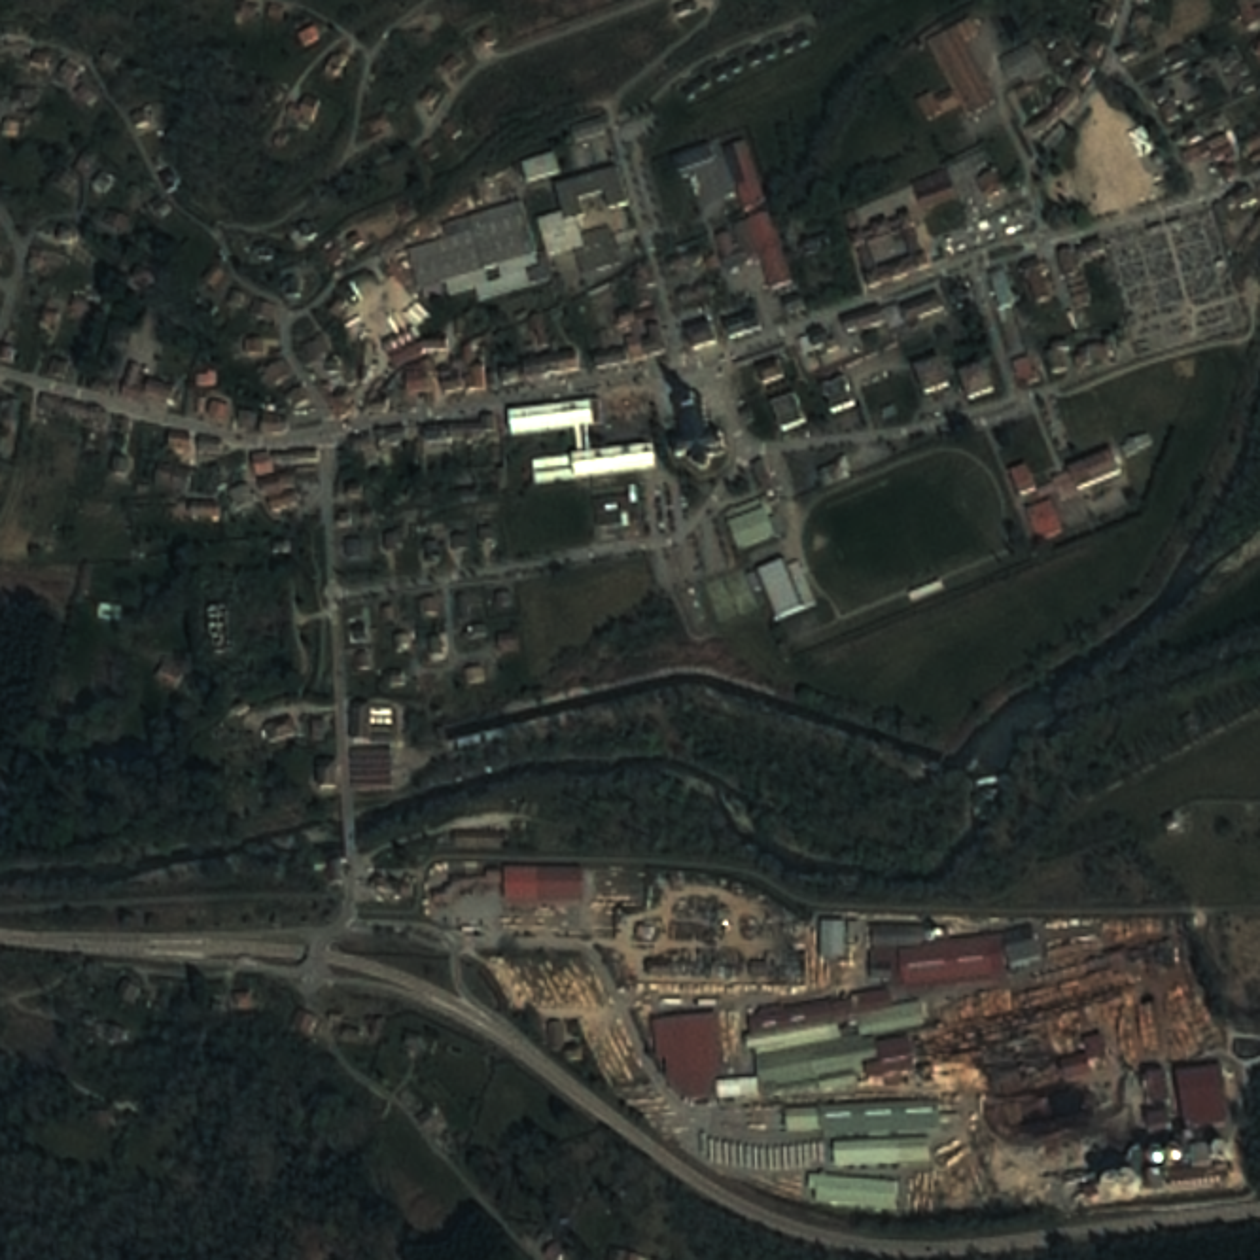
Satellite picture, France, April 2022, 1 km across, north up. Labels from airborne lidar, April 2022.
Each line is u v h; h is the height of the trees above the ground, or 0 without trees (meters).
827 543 0
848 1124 0
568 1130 26
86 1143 0
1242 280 0
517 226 0
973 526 0
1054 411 0
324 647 0
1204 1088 0
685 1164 0
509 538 0
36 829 25
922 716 0
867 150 0
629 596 0
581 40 0
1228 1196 0
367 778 0
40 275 11
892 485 0
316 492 0
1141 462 0
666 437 8
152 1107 6
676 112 0
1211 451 0
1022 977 0
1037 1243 0
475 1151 9
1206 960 27
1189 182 15
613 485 0
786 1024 0
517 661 0
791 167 9
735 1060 0
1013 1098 0
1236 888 0
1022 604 0
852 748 9
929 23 0
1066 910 0
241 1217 17
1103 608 0
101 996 10
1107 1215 0
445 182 7
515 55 0
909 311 0
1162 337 0
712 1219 17
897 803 18
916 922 0
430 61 0
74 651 8
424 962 0
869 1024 0
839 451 9
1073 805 29
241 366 0
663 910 0
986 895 19
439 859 0
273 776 15
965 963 0
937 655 0
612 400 0
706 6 0
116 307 13
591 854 9
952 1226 10
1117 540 0
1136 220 0
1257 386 0
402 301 0
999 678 0
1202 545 20
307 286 0
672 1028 0
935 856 16
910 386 0
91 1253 22
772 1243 21
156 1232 21
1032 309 12
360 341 0
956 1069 0
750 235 0
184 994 7
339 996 0
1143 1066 0
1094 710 20
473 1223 23
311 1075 12
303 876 16
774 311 0
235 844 18
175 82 16
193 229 0
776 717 29
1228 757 0
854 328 0
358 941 0
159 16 13
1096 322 0
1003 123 0
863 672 0
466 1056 0
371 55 0
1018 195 0
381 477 14
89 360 25
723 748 13
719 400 0
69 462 0
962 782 17
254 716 0
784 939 0
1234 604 0
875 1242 0
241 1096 10
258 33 0
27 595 0
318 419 0
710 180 0
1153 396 0
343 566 0
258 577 11
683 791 16
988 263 0
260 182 10
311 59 0
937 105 0
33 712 17
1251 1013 0
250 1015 7
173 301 29
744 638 0
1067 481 0
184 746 25
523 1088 0
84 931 0
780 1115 0
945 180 0
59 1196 19
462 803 17
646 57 0
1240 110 0
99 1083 8
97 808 20
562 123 8
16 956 9
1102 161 0
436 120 0
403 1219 16
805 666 0
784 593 0
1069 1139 0
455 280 0
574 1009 0
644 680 0
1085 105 0
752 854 14
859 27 0
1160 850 0
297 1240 11
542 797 0
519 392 0
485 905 0
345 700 0
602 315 0
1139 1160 0
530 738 27
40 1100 24
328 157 7
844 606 0
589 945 0
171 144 7
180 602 25
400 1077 0
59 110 0
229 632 13
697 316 0
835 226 10
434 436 0
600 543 0
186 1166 7
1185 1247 13
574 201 0
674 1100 0
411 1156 0
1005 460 0
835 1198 0
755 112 0
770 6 15
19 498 0
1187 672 24
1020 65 0
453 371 0
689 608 0
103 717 30
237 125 18
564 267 0
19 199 12
